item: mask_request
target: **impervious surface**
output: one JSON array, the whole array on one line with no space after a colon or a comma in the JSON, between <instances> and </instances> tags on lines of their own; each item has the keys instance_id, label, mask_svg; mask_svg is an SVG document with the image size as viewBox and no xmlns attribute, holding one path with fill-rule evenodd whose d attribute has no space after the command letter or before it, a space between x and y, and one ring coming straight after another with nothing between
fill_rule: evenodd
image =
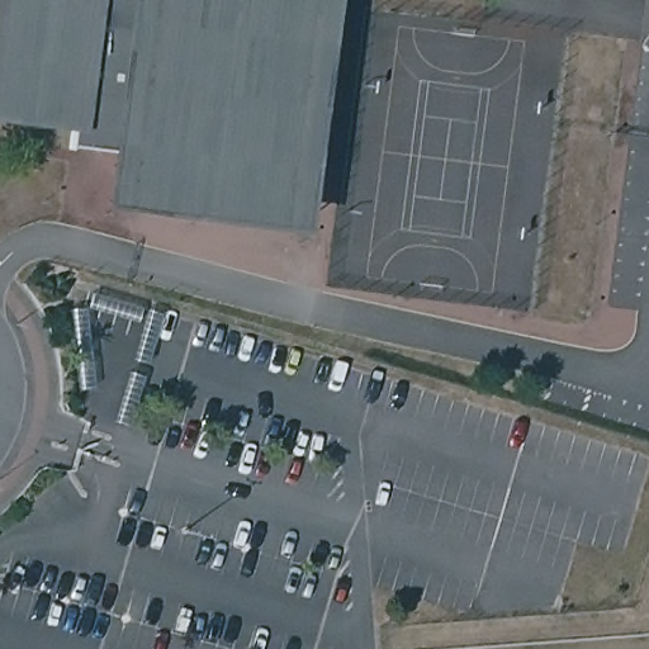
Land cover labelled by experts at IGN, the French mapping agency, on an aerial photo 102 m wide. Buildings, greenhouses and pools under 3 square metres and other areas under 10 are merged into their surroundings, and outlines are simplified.
<instances>
[{"instance_id":1,"label":"impervious surface","mask_svg":"<svg viewBox=\"0 0 649 649\"><path fill-rule=\"evenodd\" d=\"M68 157L71 172L63 175L66 185L61 188L66 198L63 221L38 221L0 236L0 510L25 497L35 482L35 472L46 466L66 472L68 477L63 484L53 487L41 502L33 502L33 510L25 515L25 525L0 537L0 649L375 649L373 601L383 593L395 598L406 611L413 611L418 601L441 606L446 611L459 608L464 621L543 616L558 596L570 550L586 550L586 545L596 545L611 548L611 553L621 550L646 461L570 436L558 436L555 431L543 431L540 426L530 423L530 416L507 418L492 411L479 411L474 406L451 403L449 398L421 393L411 388L408 380L388 380L385 368L355 365L347 355L312 360L307 357L307 350L302 345L286 347L264 340L261 335L241 340L236 330L231 330L223 322L210 322L200 317L180 319L183 314L167 309L167 304L157 304L142 297L147 289L145 284L157 284L208 302L221 302L254 314L266 314L274 319L307 325L312 330L327 327L368 335L408 347L421 347L428 352L474 360L479 365L499 368L510 378L515 375L515 370L540 378L548 390L545 398L555 401L558 406L565 406L568 411L581 408L593 416L649 431L649 91L641 101L636 101L639 124L619 124L616 132L626 134L626 175L621 190L621 218L611 269L608 307L598 312L598 317L591 317L586 322L550 322L530 312L530 289L550 137L553 124L558 124L553 122L553 117L565 38L570 33L598 33L626 41L641 41L641 51L649 53L649 0L373 0L368 35L345 23L327 145L325 190L319 198L312 198L307 203L307 210L294 228L259 231L251 226L145 213L145 205L122 203L114 195L119 157L117 150L81 142L79 150L74 150L74 155ZM51 335L43 327L43 299L28 284L33 269L53 269L53 274L66 271L74 276L68 299L74 302L76 340L68 345L68 350L84 355L84 363L79 365L79 401L81 406L86 406L84 416L76 416L68 408L68 380L61 360L61 347L51 345ZM183 408L172 426L167 426L167 446L152 446L147 436L137 434L134 418L127 416L134 395L139 401L147 401L150 395L170 395ZM233 428L238 441L231 444L228 451L210 449L208 421ZM314 459L317 451L322 451L340 466L337 477L327 479L312 472L309 459Z\"/></svg>"}]
</instances>

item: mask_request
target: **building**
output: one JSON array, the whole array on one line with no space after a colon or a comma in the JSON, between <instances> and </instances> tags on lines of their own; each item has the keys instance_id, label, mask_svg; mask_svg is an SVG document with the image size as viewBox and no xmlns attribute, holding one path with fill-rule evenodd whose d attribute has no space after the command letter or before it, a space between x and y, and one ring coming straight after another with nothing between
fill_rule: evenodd
<instances>
[{"instance_id":1,"label":"building","mask_svg":"<svg viewBox=\"0 0 649 649\"><path fill-rule=\"evenodd\" d=\"M312 198L319 198L325 190L327 145L345 23L347 0L0 0L0 124L53 129L56 142L74 150L79 150L81 142L117 150L119 157L114 195L122 203L145 205L145 213L251 226L259 231L294 228L307 210L307 203Z\"/></svg>"}]
</instances>

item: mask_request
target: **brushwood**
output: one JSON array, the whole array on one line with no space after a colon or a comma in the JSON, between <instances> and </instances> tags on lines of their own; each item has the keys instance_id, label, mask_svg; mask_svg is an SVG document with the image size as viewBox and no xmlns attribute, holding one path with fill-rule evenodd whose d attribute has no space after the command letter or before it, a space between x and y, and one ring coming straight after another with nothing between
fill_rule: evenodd
<instances>
[{"instance_id":1,"label":"brushwood","mask_svg":"<svg viewBox=\"0 0 649 649\"><path fill-rule=\"evenodd\" d=\"M446 380L454 370L421 363L383 347L368 350L365 357L370 360L380 360L393 368Z\"/></svg>"},{"instance_id":2,"label":"brushwood","mask_svg":"<svg viewBox=\"0 0 649 649\"><path fill-rule=\"evenodd\" d=\"M614 434L649 441L649 431L593 416L581 408L568 411L565 406L558 406L550 411L558 416L608 428Z\"/></svg>"}]
</instances>

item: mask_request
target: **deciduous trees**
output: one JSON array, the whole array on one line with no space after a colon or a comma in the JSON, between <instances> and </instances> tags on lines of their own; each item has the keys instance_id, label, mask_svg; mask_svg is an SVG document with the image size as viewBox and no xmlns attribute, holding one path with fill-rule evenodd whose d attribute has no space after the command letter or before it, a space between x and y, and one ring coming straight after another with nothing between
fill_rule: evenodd
<instances>
[{"instance_id":1,"label":"deciduous trees","mask_svg":"<svg viewBox=\"0 0 649 649\"><path fill-rule=\"evenodd\" d=\"M137 434L147 436L152 446L167 446L167 426L172 426L183 408L170 395L150 395L147 401L139 401L134 395L127 416L134 418Z\"/></svg>"},{"instance_id":2,"label":"deciduous trees","mask_svg":"<svg viewBox=\"0 0 649 649\"><path fill-rule=\"evenodd\" d=\"M86 406L81 406L79 401L79 365L84 363L84 355L68 350L68 345L76 340L74 302L68 299L74 276L66 271L53 274L53 269L33 269L28 284L43 299L43 327L51 335L51 345L61 347L61 360L68 380L68 408L76 416L84 416Z\"/></svg>"},{"instance_id":3,"label":"deciduous trees","mask_svg":"<svg viewBox=\"0 0 649 649\"><path fill-rule=\"evenodd\" d=\"M0 145L0 183L23 188L33 180L30 170L38 167L35 152L41 139L25 139L18 147Z\"/></svg>"},{"instance_id":4,"label":"deciduous trees","mask_svg":"<svg viewBox=\"0 0 649 649\"><path fill-rule=\"evenodd\" d=\"M25 515L33 510L33 502L41 502L53 487L63 484L68 477L66 472L46 466L35 472L35 482L25 497L0 510L0 537L25 525Z\"/></svg>"},{"instance_id":5,"label":"deciduous trees","mask_svg":"<svg viewBox=\"0 0 649 649\"><path fill-rule=\"evenodd\" d=\"M525 406L550 411L558 406L555 401L545 398L548 390L540 378L515 370L515 375L510 378L499 368L479 365L472 375L461 375L454 370L446 380L461 388L472 388L477 393L497 395L504 401L520 401Z\"/></svg>"},{"instance_id":6,"label":"deciduous trees","mask_svg":"<svg viewBox=\"0 0 649 649\"><path fill-rule=\"evenodd\" d=\"M233 428L208 421L210 449L228 451L231 444L238 441Z\"/></svg>"},{"instance_id":7,"label":"deciduous trees","mask_svg":"<svg viewBox=\"0 0 649 649\"><path fill-rule=\"evenodd\" d=\"M340 466L322 451L317 451L314 459L309 459L312 472L327 479L337 477Z\"/></svg>"}]
</instances>

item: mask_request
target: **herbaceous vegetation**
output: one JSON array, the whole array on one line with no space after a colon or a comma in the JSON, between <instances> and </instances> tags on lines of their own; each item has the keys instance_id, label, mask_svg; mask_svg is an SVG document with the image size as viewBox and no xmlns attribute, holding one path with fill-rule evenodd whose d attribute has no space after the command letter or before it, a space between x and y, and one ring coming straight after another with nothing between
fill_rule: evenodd
<instances>
[{"instance_id":1,"label":"herbaceous vegetation","mask_svg":"<svg viewBox=\"0 0 649 649\"><path fill-rule=\"evenodd\" d=\"M421 393L449 398L451 403L474 406L479 411L492 411L507 418L530 416L530 423L540 426L543 431L555 431L558 436L570 436L646 461L621 550L611 553L611 548L596 545L586 545L586 550L570 550L558 596L543 616L464 621L459 608L446 611L441 606L418 601L413 611L406 611L395 598L383 593L373 601L375 649L649 649L649 441L614 434L608 428L558 416L550 411L525 406L520 401L504 401L497 395L477 393L472 388L461 388L446 380L393 368L380 360L370 360L365 357L368 350L383 347L421 363L454 370L461 375L472 375L479 365L474 360L428 352L421 347L408 347L368 335L327 327L312 330L307 325L274 319L266 314L254 314L221 302L208 302L157 284L145 284L147 289L142 297L157 304L167 304L167 309L183 314L180 319L200 317L210 322L223 322L231 330L236 330L241 340L261 335L264 340L286 347L302 345L307 350L307 357L312 360L347 355L355 365L385 368L388 380L408 380L411 388Z\"/></svg>"},{"instance_id":2,"label":"herbaceous vegetation","mask_svg":"<svg viewBox=\"0 0 649 649\"><path fill-rule=\"evenodd\" d=\"M25 139L41 139L35 152L38 167L30 170L33 180L23 188L0 183L0 236L38 221L63 221L66 198L61 188L66 185L63 175L71 172L68 157L74 155L74 150L56 142L53 129L0 124L0 145L18 147Z\"/></svg>"},{"instance_id":3,"label":"herbaceous vegetation","mask_svg":"<svg viewBox=\"0 0 649 649\"><path fill-rule=\"evenodd\" d=\"M641 101L649 91L649 53L641 51L641 41L626 41L598 33L570 33L565 38L553 117L553 122L558 124L553 124L550 137L530 289L530 312L550 322L586 322L591 317L598 317L598 312L608 307L611 269L621 218L621 190L626 175L626 134L616 132L619 124L639 124L636 101Z\"/></svg>"},{"instance_id":4,"label":"herbaceous vegetation","mask_svg":"<svg viewBox=\"0 0 649 649\"><path fill-rule=\"evenodd\" d=\"M347 0L345 23L368 35L373 0Z\"/></svg>"}]
</instances>

